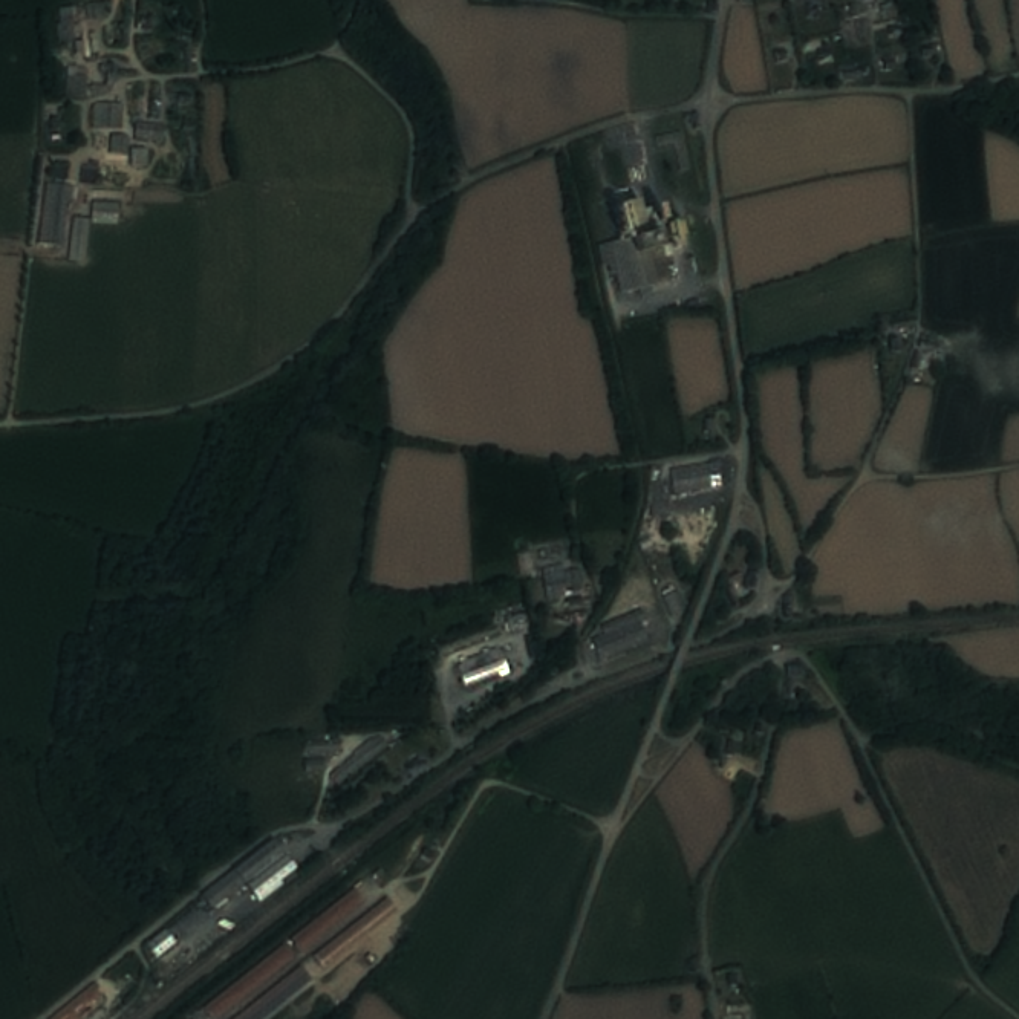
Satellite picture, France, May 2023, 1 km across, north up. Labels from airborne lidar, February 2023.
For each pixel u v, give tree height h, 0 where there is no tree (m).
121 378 0
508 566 0
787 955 0
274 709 0
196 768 11
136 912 10
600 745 0
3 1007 0
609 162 0
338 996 0
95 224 0
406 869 0
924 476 0
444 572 0
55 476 0
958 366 10
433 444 7
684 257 0
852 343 16
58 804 7
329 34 0
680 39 0
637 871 0
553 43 0
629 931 0
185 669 10
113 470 0
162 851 6
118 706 15
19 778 0
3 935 0
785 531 0
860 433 0
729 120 0
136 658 17
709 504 0
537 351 0
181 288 0
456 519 0
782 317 0
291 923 7
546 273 0
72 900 0
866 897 0
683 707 6
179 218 0
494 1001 0
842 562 0
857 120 0
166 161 0
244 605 12
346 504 0
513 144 0
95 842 7
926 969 0
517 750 15
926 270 0
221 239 0
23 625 0
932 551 0
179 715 10
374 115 0
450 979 0
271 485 9
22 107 0
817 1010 0
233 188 0
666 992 0
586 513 0
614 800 0
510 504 0
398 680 12
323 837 0
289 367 10
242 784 0
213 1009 0
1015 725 6
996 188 0
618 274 0
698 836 0
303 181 0
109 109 0
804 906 0
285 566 14
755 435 13
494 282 0
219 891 0
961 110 11
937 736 13
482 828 0
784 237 0
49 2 0
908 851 0
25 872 0
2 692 0
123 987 0
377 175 0
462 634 8
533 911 0
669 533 13
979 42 12
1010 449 0
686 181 0
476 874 0
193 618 7
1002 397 0
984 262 0
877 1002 0
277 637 0
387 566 0
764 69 0
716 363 0
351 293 0
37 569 0
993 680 6
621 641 0
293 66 0
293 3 0
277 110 0
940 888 7
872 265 0
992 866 0
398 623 0
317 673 0
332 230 0
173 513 7
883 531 0
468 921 0
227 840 11
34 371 0
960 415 0
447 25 0
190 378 0
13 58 0
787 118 0
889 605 0
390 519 0
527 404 0
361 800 12
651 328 0
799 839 0
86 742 9
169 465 0
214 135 0
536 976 0
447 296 0
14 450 0
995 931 0
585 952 0
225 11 0
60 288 0
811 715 24
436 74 8
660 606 0
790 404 0
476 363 0
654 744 0
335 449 0
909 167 0
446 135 6
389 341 0
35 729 0
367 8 8
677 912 0
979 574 0
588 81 0
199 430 0
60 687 8
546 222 0
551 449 0
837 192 0
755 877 0
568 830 0
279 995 0
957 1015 0
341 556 0
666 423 0
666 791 0
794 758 0
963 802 0
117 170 0
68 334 0
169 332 0
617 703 0
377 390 0
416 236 13
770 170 0
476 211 0
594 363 0
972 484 0
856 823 0
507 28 0
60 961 0
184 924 0
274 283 0
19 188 0
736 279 0
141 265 0
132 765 12
